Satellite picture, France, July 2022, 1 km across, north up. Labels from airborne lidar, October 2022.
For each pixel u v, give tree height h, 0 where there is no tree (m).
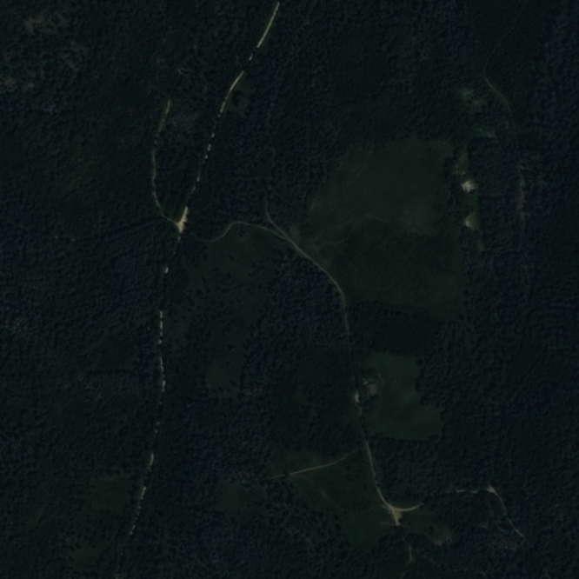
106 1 27
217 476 13
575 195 32
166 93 30
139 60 17
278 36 8
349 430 9
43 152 15
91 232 16
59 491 34
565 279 26
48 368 18
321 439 13
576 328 26
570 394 20
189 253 14
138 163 22
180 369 6
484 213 17
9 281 19
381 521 0
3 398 12
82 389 28
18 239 27
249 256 0
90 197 17
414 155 0
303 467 0
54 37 9
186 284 14
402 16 28
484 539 29
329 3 13
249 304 0
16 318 35
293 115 11
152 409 7
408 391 0
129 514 9
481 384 31
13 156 17
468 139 25
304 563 19
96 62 9
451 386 19
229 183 7
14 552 19
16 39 7
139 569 8
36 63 19
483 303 21
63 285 21
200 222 13
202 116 7
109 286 20
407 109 14
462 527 14
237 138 24
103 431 32
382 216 0
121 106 14
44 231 8
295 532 12
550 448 16
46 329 22
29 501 15
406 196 0
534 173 9
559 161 29
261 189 20
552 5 9
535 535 20
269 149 5
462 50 29
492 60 11
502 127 13
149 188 18
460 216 12
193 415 25
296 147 19
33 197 17
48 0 13
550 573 8
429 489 12
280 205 15
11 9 15
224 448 16
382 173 0
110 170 17
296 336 18
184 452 6
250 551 15
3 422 10
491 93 10
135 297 29
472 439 24
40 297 19
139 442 19
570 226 27
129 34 12
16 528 14
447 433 17
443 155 0
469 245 16
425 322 11
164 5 14
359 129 8
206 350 10
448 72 11
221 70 7
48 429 25
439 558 21
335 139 17
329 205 0
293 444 14
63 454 22
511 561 24
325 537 28
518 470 17
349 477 5
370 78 11
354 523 0
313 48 15
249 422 21
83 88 8
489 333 20
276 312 20
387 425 0
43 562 18
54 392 15
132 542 13
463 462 22
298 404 8
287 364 19
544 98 22
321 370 14
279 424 23
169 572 19
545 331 25
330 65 12
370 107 9
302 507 21
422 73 22
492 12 8
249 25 11
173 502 7
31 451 18
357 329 8
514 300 28
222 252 0
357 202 0
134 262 26
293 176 13
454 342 14
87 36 12
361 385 11
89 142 16
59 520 18
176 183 19
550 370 11
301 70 12
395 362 0
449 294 0
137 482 31
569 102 36
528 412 20
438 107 35
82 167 9
